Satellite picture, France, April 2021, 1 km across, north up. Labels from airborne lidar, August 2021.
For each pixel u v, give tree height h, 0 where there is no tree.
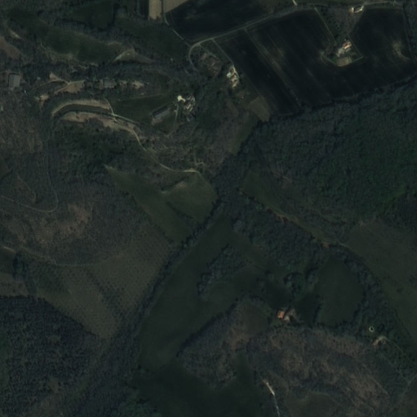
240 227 17
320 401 0
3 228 10
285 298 0
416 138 31
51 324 20
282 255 19
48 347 20
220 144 19
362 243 0
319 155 19
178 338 0
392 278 0
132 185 0
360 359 12
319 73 0
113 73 17
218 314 0
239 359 0
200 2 13
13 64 16
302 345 9
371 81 0
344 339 14
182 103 11
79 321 6
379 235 0
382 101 24
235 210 21
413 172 32
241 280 0
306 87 0
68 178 15
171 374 0
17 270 22
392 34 0
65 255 17
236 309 13
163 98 0
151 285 9
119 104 0
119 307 8
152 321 0
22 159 11
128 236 21
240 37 0
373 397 8
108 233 19
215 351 16
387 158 28
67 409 22
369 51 0
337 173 25
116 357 16
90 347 22
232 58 0
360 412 10
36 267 9
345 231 9
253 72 0
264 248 15
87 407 25
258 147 18
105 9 0
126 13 19
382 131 29
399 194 13
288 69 0
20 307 21
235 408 0
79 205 9
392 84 0
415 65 0
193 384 0
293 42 0
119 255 19
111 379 24
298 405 0
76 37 0
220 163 14
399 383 10
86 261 19
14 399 16
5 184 14
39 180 16
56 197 16
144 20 11
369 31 0
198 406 0
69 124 15
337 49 11
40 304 13
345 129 18
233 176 22
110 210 25
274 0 0
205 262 0
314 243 27
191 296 0
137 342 19
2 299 15
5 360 22
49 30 0
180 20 0
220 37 0
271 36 0
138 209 18
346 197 30
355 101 0
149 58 6
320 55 0
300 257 25
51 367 16
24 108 14
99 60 0
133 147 6
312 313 0
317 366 8
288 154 13
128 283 6
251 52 0
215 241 0
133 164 14
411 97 26
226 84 11
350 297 0
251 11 0
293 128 27
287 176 11
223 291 0
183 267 0
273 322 18
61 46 0
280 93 0
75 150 14
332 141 20
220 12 0
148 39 0
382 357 11
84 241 10
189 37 0
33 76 11
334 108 19
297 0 0
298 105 0
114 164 18
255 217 21
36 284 17
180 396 0
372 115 28
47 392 15
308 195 12
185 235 0
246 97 0
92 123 19
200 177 0
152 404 8
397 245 0
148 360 0
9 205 16
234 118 20
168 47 0
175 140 12
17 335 15
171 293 0
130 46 14
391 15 0
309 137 17
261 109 0
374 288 18
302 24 0
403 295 0
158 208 0
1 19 22
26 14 0
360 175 31
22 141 15
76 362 21
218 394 0
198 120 34
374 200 29
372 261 0
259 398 0
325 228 19
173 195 0
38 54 18
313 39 0
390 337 17
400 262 0
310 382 15
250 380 0
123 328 8
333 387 8
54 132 20
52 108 24
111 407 27
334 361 7
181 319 0
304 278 18
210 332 21
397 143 29
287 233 21
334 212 12
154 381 0
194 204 0
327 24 0
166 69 20
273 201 0
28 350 7
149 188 0
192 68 20
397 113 17
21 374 20
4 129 15
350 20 20
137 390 12
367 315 18
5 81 9
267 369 11
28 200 14
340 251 13
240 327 18
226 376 13
